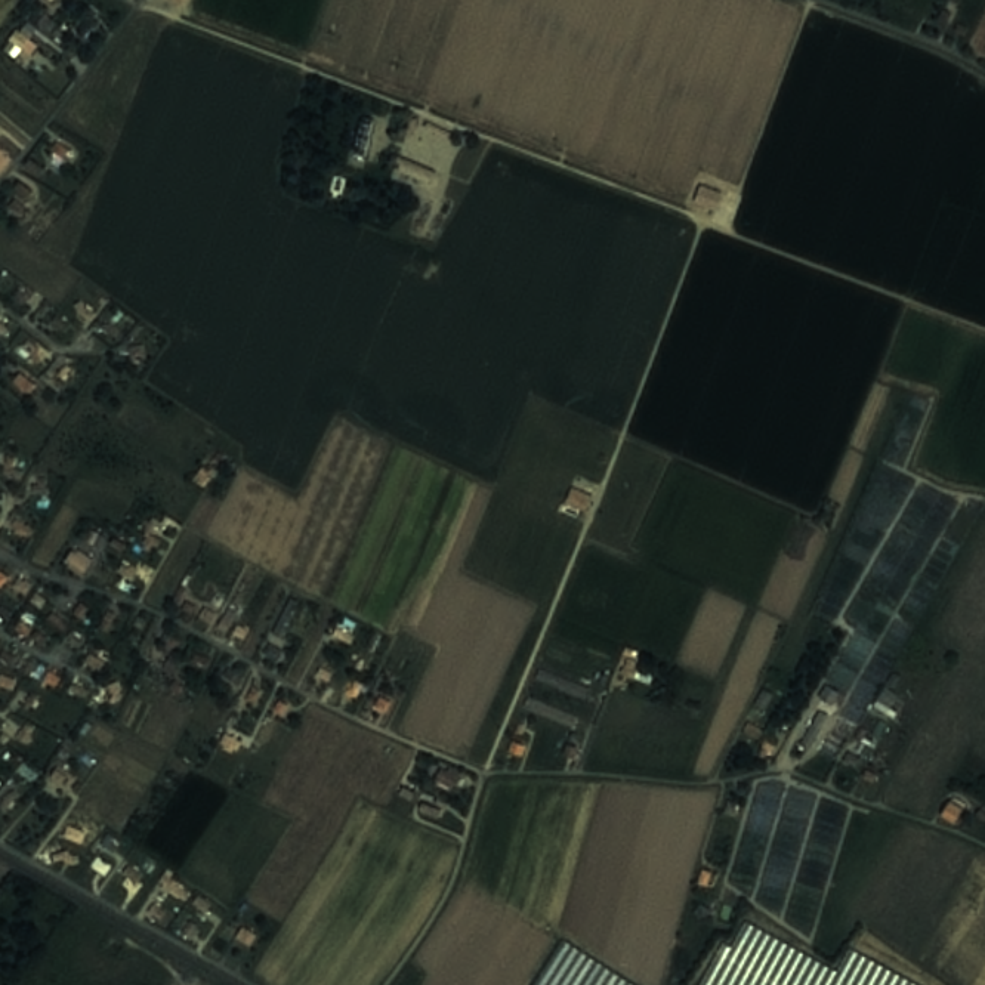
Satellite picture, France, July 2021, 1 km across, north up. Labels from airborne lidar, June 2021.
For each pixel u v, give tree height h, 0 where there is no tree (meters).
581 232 0
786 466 0
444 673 0
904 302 0
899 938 0
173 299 0
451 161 0
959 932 0
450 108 0
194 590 0
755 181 0
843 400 0
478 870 0
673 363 0
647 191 0
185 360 0
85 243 0
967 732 0
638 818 0
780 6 0
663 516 0
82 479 0
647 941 0
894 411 0
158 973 0
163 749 0
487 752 0
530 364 0
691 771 0
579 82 0
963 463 0
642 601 0
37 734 0
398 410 0
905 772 0
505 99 0
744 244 0
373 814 0
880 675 0
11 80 0
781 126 0
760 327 0
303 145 7
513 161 0
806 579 0
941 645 0
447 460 0
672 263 0
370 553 0
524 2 0
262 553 0
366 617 0
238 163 0
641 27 0
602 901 0
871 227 0
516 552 0
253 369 0
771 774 0
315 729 0
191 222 0
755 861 0
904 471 0
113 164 0
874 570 0
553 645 0
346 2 0
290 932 0
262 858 0
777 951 0
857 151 0
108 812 0
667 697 7
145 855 0
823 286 0
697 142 0
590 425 0
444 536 0
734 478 0
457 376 0
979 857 0
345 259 0
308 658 0
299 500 0
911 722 0
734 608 0
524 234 0
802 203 0
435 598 0
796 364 0
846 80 0
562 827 0
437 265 0
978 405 0
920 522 0
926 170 0
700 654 0
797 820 0
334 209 8
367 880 0
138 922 0
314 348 0
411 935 0
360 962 0
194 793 0
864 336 0
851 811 0
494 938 0
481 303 0
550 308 0
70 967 0
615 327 0
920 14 0
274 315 0
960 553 0
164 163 0
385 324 0
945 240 0
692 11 0
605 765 0
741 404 0
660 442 0
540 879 0
